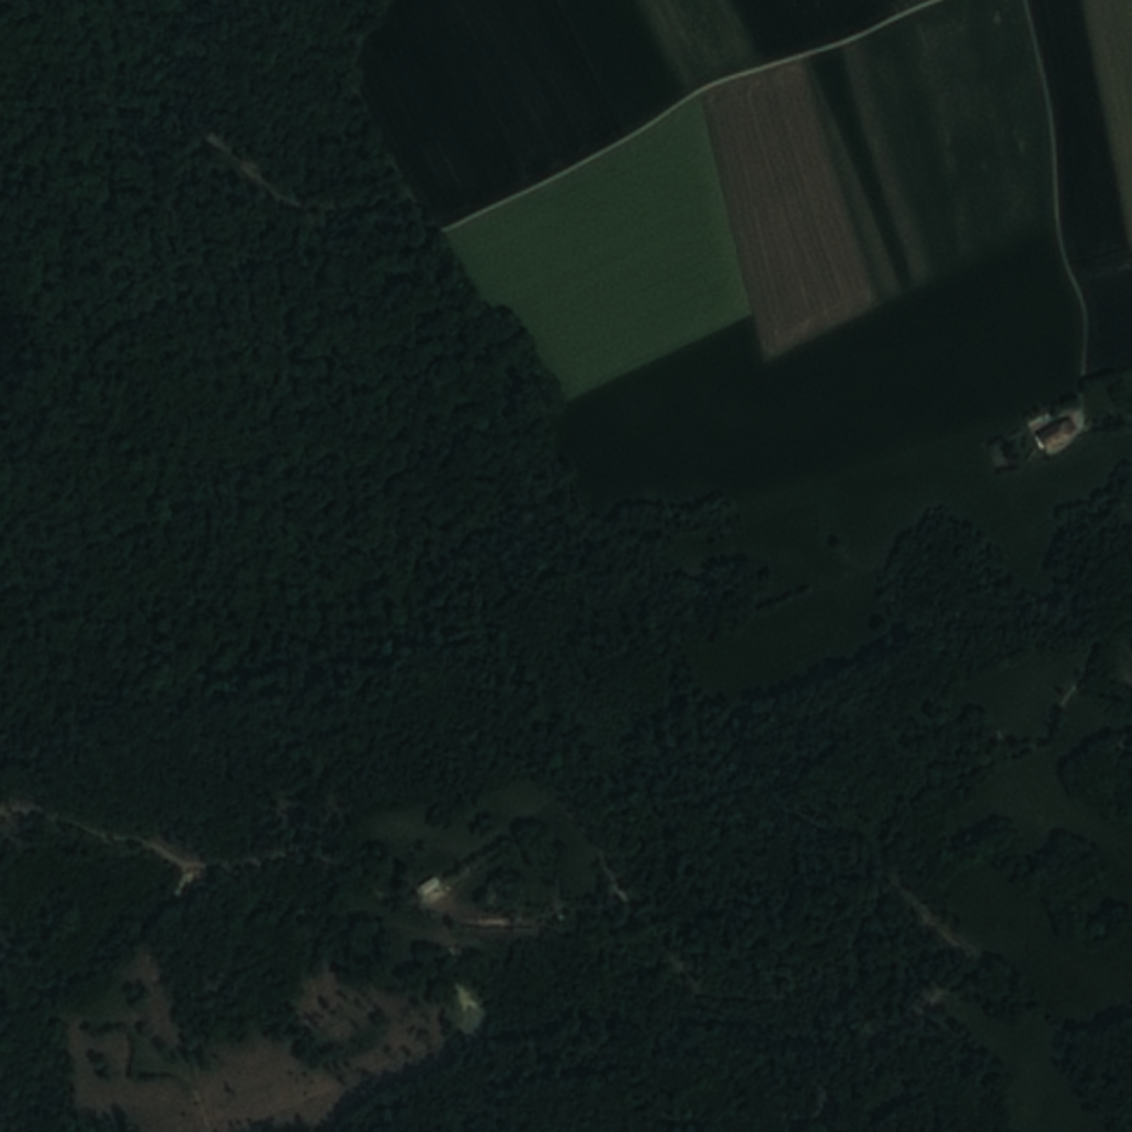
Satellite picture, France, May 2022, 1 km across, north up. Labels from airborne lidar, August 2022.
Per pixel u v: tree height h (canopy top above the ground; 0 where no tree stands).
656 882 10
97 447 12
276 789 20
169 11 13
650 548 19
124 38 24
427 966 16
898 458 0
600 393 0
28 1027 21
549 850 14
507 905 9
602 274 0
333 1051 9
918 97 0
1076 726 0
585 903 8
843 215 0
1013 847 22
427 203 0
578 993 10
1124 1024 23
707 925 23
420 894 7
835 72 0
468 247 0
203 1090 0
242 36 17
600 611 7
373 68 0
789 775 17
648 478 0
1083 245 0
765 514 0
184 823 24
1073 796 10
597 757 13
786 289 0
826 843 19
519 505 8
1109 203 0
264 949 19
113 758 18
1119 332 0
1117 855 0
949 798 20
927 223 0
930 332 0
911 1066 20
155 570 17
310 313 24
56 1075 18
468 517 18
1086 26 0
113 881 10
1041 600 15
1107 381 11
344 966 8
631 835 19
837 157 0
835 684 23
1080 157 0
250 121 20
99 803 22
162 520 15
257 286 21
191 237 23
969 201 0
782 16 0
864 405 0
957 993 18
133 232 23
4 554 17
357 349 23
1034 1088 0
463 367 26
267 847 25
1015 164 0
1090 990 0
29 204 25
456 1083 28
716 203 0
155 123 14
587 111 0
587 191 0
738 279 0
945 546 11
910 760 7
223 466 12
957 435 0
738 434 0
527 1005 13
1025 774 0
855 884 23
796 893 22
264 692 6
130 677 13
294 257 19
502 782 13
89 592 13
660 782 22
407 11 0
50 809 20
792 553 0
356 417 22
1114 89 0
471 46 0
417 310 19
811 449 0
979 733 14
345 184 21
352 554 23
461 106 0
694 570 0
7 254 21
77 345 24
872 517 0
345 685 23
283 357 22
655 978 23
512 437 25
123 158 22
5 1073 18
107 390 21
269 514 19
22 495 12
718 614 18
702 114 0
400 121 0
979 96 0
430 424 23
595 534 13
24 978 25
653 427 0
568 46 0
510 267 0
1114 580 16
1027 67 0
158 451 13
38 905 12
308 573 20
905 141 0
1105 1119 14
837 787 17
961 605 12
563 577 15
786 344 0
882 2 0
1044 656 10
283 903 12
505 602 11
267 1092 0
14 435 23
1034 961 0
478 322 21
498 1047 27
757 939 8
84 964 8
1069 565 11
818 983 10
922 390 0
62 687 16
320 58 22
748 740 13
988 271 0
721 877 22
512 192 0
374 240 25
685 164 0
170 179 15
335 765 10
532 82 0
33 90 16
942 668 19
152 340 11
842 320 0
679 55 0
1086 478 0
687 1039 27
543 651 13
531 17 0
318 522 23
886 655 24
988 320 0
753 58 0
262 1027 8
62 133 10
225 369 23
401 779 14
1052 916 13
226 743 19
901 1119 18
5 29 17
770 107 0
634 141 0
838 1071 23
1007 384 0
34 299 24
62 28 22
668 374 0
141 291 20
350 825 15
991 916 0
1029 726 0
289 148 20
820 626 0
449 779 14
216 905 14
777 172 0
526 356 22
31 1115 19
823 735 17
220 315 20
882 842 11
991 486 0
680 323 0
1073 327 0
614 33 0
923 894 18
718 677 0
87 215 21
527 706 30
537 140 0
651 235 0
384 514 19
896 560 7
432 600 22
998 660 12
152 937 14
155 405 11
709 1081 23
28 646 21
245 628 23
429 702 11
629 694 13
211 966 12
